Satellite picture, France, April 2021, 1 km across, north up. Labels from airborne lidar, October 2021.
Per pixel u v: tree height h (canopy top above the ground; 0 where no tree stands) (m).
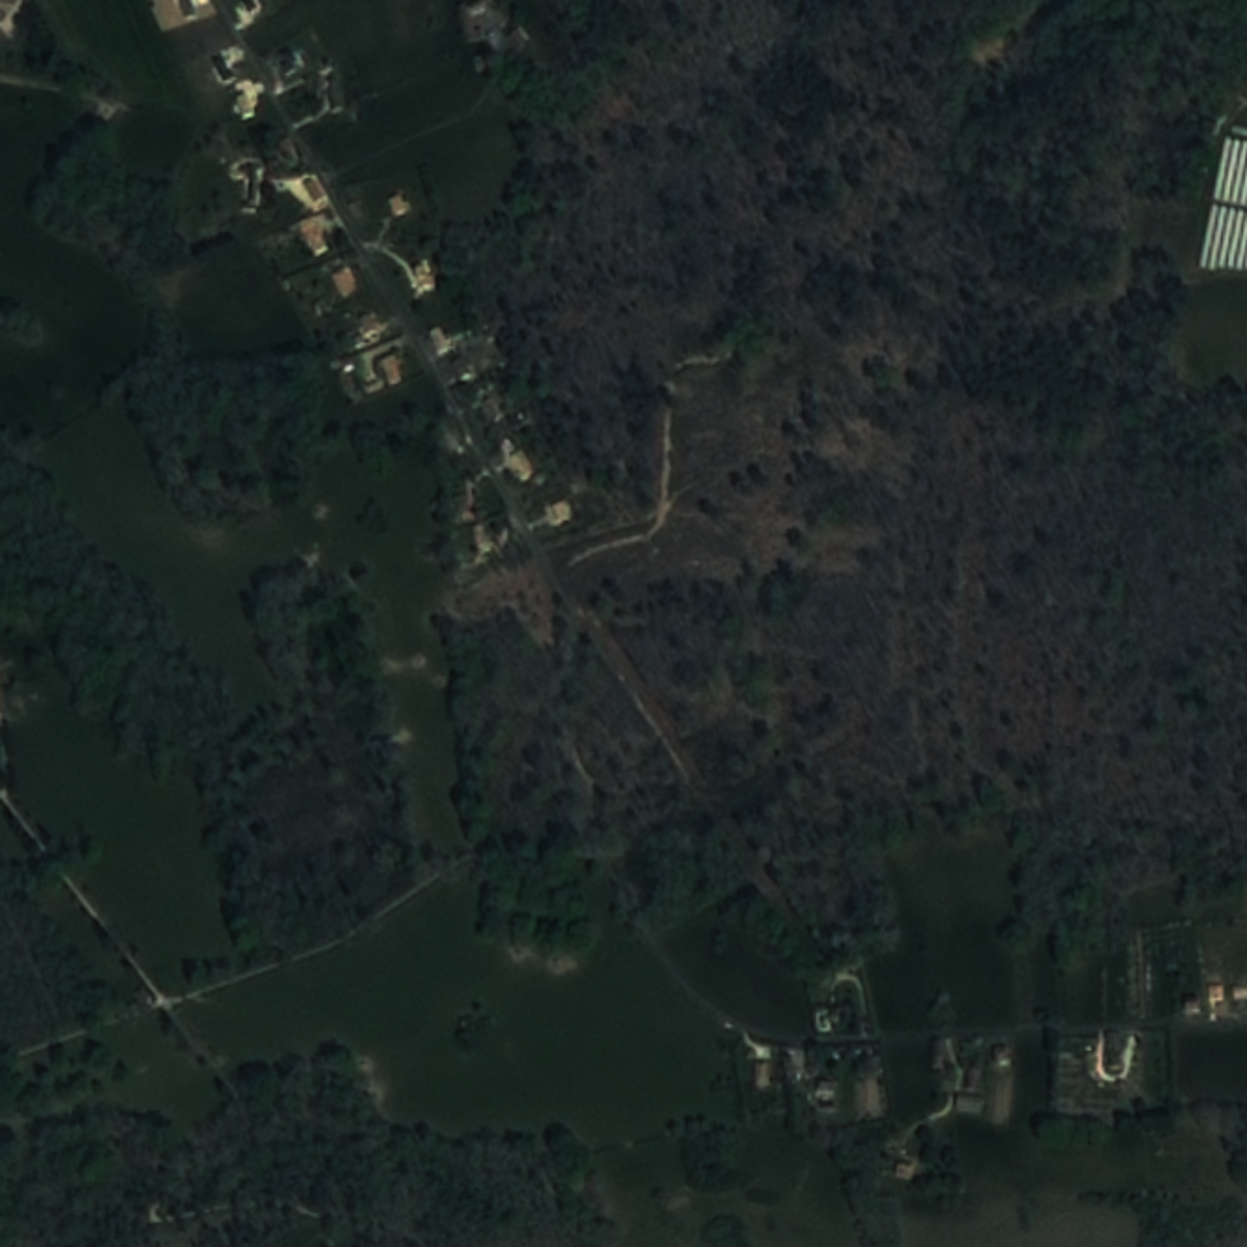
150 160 0
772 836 25
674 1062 0
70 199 25
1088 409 28
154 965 0
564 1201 21
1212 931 0
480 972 0
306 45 0
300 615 21
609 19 29
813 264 27
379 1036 0
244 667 0
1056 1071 7
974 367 18
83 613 22
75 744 0
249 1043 0
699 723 19
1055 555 27
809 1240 0
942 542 8
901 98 6
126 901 0
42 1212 20
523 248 14
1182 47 21
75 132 0
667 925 19
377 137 0
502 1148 19
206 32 0
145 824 0
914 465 6
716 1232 9
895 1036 0
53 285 0
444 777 0
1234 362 0
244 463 23
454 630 23
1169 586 15
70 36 0
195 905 0
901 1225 14
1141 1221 16
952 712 16
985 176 23
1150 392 24
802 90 15
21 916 14
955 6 29
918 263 13
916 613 7
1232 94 18
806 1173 0
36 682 0
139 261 19
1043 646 11
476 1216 19
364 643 24
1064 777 12
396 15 0
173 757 26
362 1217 18
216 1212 8
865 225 9
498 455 9
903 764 15
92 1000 21
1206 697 15
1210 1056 0
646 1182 0
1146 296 6
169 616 21
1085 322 9
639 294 12
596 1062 0
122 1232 16
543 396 19
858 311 31
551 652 15
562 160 12
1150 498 16
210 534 9
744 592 16
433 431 14
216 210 7
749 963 0
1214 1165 0
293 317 0
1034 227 26
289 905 19
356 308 0
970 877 0
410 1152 24
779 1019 0
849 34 8
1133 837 20
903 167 10
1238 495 16
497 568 16
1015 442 10
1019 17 27
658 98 10
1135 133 25
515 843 7
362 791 0
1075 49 32
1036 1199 0
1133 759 20
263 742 17
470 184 0
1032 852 15
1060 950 18
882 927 21
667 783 16
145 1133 22
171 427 26
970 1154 0
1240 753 9
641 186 11
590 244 7
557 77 15
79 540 18
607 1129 0
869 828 20
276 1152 19
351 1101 23
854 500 20
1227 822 12
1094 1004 0
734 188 6
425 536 0
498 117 0
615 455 9
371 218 0
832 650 17
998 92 18
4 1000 15
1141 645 12
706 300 9
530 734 7
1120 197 16
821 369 0
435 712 0
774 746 24
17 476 23
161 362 21
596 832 16
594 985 0
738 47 19
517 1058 0
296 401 27
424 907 0
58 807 0
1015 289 23
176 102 0
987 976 0
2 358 0
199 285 0
